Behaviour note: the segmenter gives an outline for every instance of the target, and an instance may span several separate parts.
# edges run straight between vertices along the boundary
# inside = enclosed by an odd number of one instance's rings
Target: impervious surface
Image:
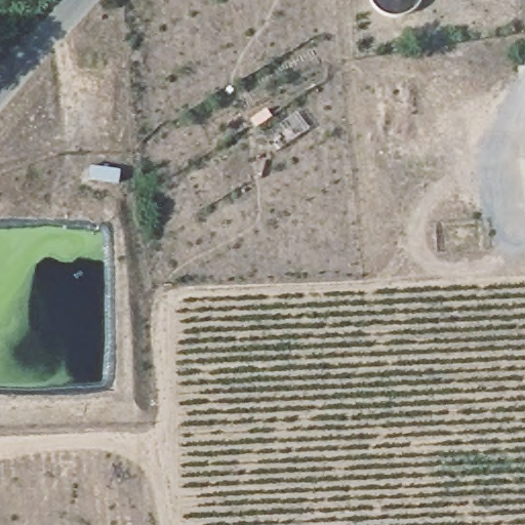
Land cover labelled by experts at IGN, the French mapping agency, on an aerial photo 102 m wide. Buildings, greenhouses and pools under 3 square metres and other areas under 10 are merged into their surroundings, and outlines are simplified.
[[[21,76],[33,70],[39,64],[41,55],[51,53],[55,39],[62,39],[66,31],[74,31],[90,12],[90,8],[100,2],[100,0],[62,0],[53,8],[53,12],[35,27],[27,45],[23,45],[21,49],[16,47],[16,53],[10,51],[0,59],[0,92],[4,88],[14,86]]]
[[[115,263],[113,254],[103,256],[105,355],[100,381],[74,383],[74,379],[70,377],[68,381],[49,388],[4,388],[0,383],[0,398],[76,396],[107,392],[113,388],[117,375]]]

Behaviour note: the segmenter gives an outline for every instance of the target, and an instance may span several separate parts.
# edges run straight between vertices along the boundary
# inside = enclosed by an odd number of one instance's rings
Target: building
[[[117,168],[88,166],[82,176],[84,185],[88,185],[90,180],[119,180],[121,172]]]
[[[386,12],[420,12],[435,0],[373,0]]]

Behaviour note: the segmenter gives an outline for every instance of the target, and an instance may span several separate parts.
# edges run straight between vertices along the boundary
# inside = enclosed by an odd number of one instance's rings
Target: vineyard
[[[178,525],[525,525],[525,281],[490,285],[441,285],[437,281],[418,283],[416,273],[408,273],[400,277],[379,275],[373,279],[345,281],[230,285],[203,283],[183,285],[172,291],[158,289],[154,297],[150,334],[152,363],[158,388],[158,406],[162,402],[174,402],[174,406],[170,408],[168,429],[162,433],[162,443],[180,445],[183,488],[193,488],[189,494],[191,498],[197,498],[197,507],[193,509],[193,513],[185,513]]]
[[[146,478],[146,472],[142,470],[142,466],[135,466],[129,459],[121,461],[119,453],[98,449],[57,449],[41,451],[35,455],[23,455],[16,459],[4,459],[0,455],[0,525],[160,525],[156,521],[154,490],[150,480]]]

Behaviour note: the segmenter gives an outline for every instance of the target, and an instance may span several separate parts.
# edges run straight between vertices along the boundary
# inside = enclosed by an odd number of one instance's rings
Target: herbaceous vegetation
[[[400,39],[404,29],[416,27],[427,27],[431,33],[439,33],[443,27],[466,25],[468,29],[480,33],[494,29],[494,37],[513,37],[525,29],[525,0],[435,0],[420,12],[386,12],[373,0],[152,0],[156,6],[156,18],[150,25],[137,27],[137,31],[144,35],[144,43],[137,49],[142,53],[142,59],[129,64],[129,84],[133,94],[131,109],[135,113],[139,146],[125,148],[125,154],[139,154],[142,162],[144,174],[152,174],[156,183],[162,185],[162,193],[154,195],[154,203],[158,207],[158,221],[152,230],[154,238],[139,234],[133,228],[129,205],[119,205],[119,219],[123,226],[127,248],[127,252],[119,256],[119,263],[127,265],[127,273],[139,267],[144,289],[154,297],[158,289],[172,291],[183,285],[203,283],[230,285],[345,281],[373,279],[379,275],[400,277],[408,273],[416,273],[418,283],[437,281],[441,285],[490,285],[525,281],[525,252],[492,256],[496,236],[494,219],[490,215],[482,215],[480,211],[472,211],[466,205],[466,201],[459,199],[459,195],[451,195],[449,199],[439,201],[437,209],[429,217],[425,232],[429,248],[437,252],[437,258],[447,260],[439,275],[427,275],[427,271],[408,256],[406,250],[398,248],[398,238],[406,236],[404,226],[388,230],[388,250],[383,250],[377,256],[365,256],[361,226],[363,197],[359,193],[359,166],[353,146],[355,142],[363,139],[363,135],[351,131],[351,80],[345,66],[375,55],[392,55],[394,49],[390,41]]]

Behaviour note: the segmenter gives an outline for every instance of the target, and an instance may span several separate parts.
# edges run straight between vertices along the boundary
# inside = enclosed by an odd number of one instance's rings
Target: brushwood
[[[431,33],[427,27],[416,27],[414,37],[425,57],[453,51],[459,43],[478,41],[480,33],[468,29],[466,25],[443,27],[439,33]]]
[[[125,10],[125,25],[129,31],[127,41],[133,49],[137,49],[144,43],[144,35],[137,31],[137,27],[150,25],[156,18],[156,6],[152,0],[100,0],[100,2],[103,8]]]

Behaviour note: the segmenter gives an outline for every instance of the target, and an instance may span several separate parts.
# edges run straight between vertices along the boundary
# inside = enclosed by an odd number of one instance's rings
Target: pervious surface
[[[129,459],[135,466],[142,466],[142,470],[146,472],[146,478],[150,480],[154,490],[156,521],[160,525],[178,525],[185,513],[193,513],[193,509],[197,507],[197,498],[191,498],[189,494],[193,488],[183,488],[180,445],[162,443],[162,433],[168,429],[170,408],[174,406],[174,402],[162,402],[158,406],[156,427],[142,433],[113,433],[92,429],[90,433],[16,435],[0,439],[0,455],[4,459],[16,459],[23,455],[35,455],[41,451],[57,449],[98,449],[119,453],[121,461]]]
[[[363,135],[363,139],[355,142],[353,146],[359,166],[359,193],[363,197],[361,226],[365,256],[377,256],[383,250],[388,250],[388,230],[404,226],[406,236],[398,238],[398,248],[406,250],[408,256],[427,271],[427,275],[439,275],[447,260],[437,258],[437,252],[429,248],[425,232],[429,217],[437,209],[439,201],[449,199],[451,195],[459,195],[459,199],[466,201],[466,205],[472,211],[480,211],[482,215],[490,215],[494,219],[496,236],[492,256],[525,252],[525,64],[513,64],[509,59],[509,49],[517,41],[525,39],[525,29],[513,37],[494,37],[494,29],[480,33],[478,41],[459,43],[453,51],[425,57],[392,55],[375,55],[345,66],[351,80],[351,131]]]
[[[21,76],[14,86],[4,88],[0,92],[0,232],[16,228],[68,228],[92,232],[103,236],[103,256],[113,254],[115,263],[119,263],[119,256],[127,252],[127,248],[123,226],[119,219],[119,205],[129,205],[131,201],[135,201],[135,195],[121,180],[129,180],[133,176],[133,162],[142,162],[139,154],[125,154],[125,148],[139,146],[135,113],[131,109],[133,94],[129,84],[129,64],[142,59],[142,53],[137,49],[133,49],[127,41],[129,31],[125,25],[125,10],[103,8],[100,2],[90,8],[90,12],[74,31],[66,31],[62,39],[55,39],[51,53],[41,55],[39,64],[33,70]],[[90,180],[88,185],[84,185],[82,176],[88,166],[117,168],[121,172],[119,180]]]

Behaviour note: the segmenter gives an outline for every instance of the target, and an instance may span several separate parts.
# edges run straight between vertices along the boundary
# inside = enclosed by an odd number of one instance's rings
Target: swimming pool
[[[49,388],[68,381],[70,377],[74,379],[74,383],[100,381],[105,355],[103,256],[103,236],[92,232],[68,228],[16,228],[0,232],[0,383],[4,388]]]

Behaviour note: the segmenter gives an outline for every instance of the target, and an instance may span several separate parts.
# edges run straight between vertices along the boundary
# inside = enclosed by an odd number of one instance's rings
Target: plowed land
[[[92,429],[113,433],[142,433],[156,427],[158,406],[158,388],[152,363],[150,334],[154,297],[144,289],[139,267],[127,273],[127,265],[119,263],[115,263],[117,375],[113,388],[107,392],[76,396],[0,398],[0,439],[16,435],[90,433]]]

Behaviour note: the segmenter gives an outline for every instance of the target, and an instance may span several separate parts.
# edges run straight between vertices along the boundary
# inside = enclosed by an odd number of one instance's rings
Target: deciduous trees
[[[404,29],[400,39],[390,41],[394,49],[392,55],[425,57],[414,37],[416,27]]]
[[[135,201],[131,201],[129,205],[133,228],[139,234],[154,238],[152,230],[158,221],[158,207],[154,203],[154,195],[162,193],[162,185],[156,183],[152,174],[144,174],[142,162],[133,162],[133,176],[129,180],[121,180],[135,195]]]
[[[0,0],[0,59],[10,51],[16,53],[16,47],[21,49],[23,45],[27,45],[35,27],[53,12],[53,8],[62,0]]]
[[[513,64],[525,64],[525,39],[517,41],[509,49],[509,59]]]

